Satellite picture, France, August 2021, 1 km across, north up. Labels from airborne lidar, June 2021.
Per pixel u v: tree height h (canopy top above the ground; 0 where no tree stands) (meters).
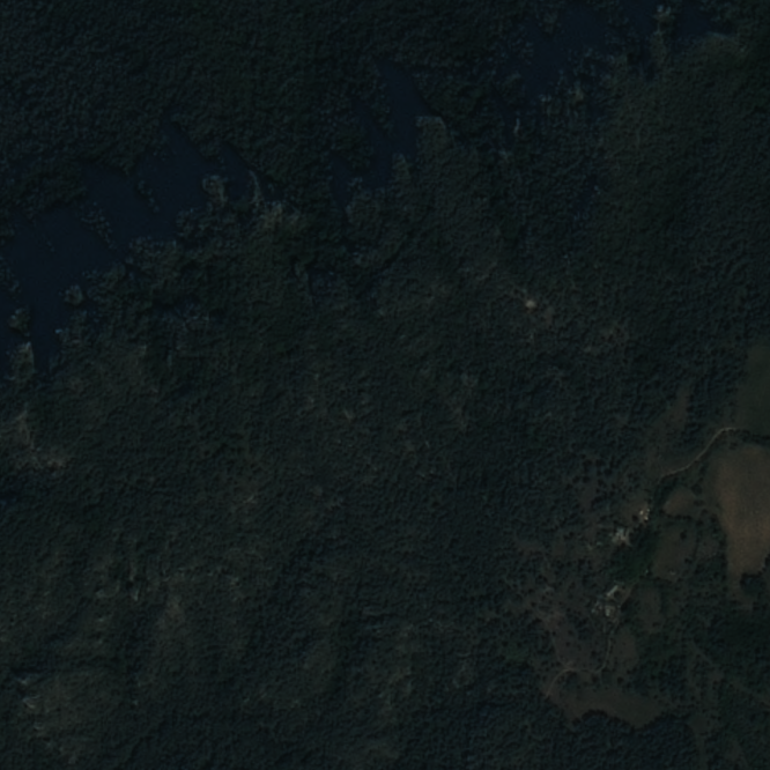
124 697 7
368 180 15
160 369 15
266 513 7
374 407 6
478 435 11
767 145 16
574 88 8
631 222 10
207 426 10
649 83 8
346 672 7
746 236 10
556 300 7
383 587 8
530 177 14
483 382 13
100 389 7
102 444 8
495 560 10
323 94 14
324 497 9
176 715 15
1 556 6
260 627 8
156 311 12
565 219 13
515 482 9
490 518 9
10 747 8
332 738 7
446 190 6
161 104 8
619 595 7
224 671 10
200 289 18
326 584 6
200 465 8
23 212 12
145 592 8
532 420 7
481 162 19
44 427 6
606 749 10
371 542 6
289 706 6
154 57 10
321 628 7
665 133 10
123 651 11
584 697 0
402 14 13
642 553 9
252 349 7
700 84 10
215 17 11
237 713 12
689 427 7
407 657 8
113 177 10
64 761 6
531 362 6
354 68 14
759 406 0
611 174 7
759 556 0
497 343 8
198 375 12
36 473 8
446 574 12
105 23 8
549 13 7
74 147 17
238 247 7
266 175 16
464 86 16
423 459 13
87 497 8
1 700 10
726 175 12
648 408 10
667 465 0
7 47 12
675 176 10
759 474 0
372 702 6
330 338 7
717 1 8
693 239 11
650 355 11
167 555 7
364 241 12
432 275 6
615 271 10
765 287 15
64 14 9
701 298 13
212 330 9
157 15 12
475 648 6
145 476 9
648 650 7
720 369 11
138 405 8
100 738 7
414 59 14
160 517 7
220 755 8
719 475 0
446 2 19
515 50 7
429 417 8
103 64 11
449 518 11
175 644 7
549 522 9
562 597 0
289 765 8
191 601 6
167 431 8
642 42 8
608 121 7
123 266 49
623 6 16
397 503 8
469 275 7
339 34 9
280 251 7
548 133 9
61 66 11
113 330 10
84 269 42
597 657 8
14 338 28
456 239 8
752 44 13
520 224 10
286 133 13
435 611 7
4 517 10
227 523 7
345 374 6
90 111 7
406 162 9
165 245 6
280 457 7
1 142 10
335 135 10
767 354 0
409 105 13
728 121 10
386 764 10
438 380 9
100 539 9
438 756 8
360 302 13
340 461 9
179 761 8
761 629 7
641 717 0
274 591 12
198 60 8
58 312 12
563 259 12
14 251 13
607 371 7
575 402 8
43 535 8
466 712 8
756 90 14
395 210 19
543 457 7
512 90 15
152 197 21
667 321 15
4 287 19
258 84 15
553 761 9
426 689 13
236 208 14
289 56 8
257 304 11
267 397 10
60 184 12
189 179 15
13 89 23
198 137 10
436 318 11
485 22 13
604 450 12
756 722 8
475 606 11
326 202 13
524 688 11
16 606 8
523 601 10
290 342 10
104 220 16
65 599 7
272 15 11
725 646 11
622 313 6
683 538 10
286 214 7
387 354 6
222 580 8
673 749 10
